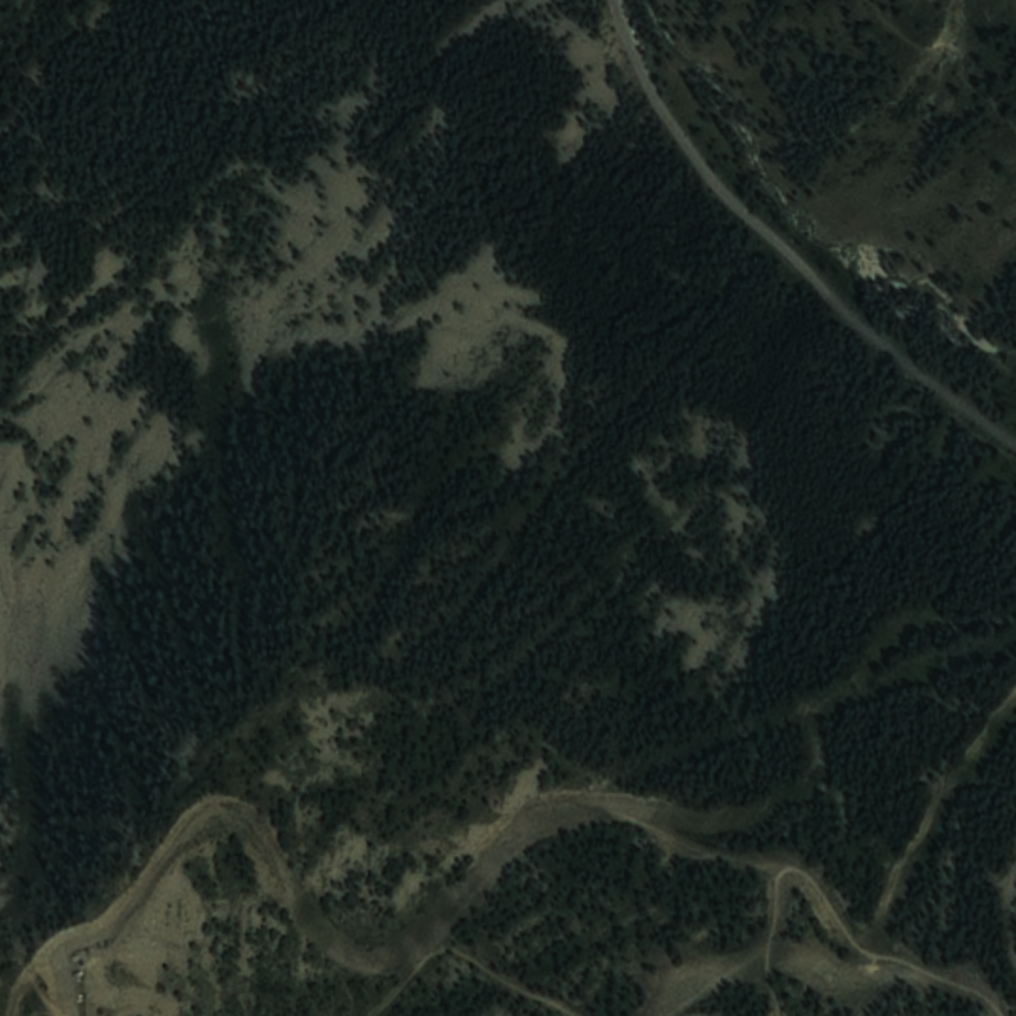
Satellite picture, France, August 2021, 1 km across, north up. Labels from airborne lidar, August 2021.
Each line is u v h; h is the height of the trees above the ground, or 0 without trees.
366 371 21
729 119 20
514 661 12
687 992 0
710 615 7
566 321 10
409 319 0
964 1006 12
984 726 7
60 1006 0
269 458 15
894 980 0
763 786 11
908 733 24
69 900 11
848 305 0
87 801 13
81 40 23
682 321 12
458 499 22
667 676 22
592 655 13
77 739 17
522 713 18
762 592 0
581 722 16
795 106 23
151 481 0
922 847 0
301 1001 7
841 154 24
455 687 14
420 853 0
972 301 0
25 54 19
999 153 0
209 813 0
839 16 0
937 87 0
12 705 0
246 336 0
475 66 24
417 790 16
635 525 14
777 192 0
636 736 16
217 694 15
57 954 0
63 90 23
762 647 16
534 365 8
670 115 0
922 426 26
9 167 17
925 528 26
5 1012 0
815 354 19
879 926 0
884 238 0
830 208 0
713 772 19
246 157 13
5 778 13
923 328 26
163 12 17
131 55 27
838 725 7
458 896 0
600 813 0
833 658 10
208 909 0
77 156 23
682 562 18
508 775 13
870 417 24
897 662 27
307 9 21
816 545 21
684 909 8
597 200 8
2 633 0
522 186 22
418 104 22
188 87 25
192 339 0
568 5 15
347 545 22
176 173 20
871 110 23
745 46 21
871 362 26
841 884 21
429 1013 11
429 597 15
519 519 0
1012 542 27
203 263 8
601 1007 13
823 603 25
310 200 0
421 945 0
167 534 19
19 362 23
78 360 13
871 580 21
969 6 0
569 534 19
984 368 25
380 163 19
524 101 28
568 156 0
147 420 10
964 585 25
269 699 9
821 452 25
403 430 22
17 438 11
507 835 0
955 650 28
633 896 14
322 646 17
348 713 0
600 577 6
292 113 10
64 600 0
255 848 0
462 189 18
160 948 0
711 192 7
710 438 7
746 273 26
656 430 15
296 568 6
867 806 19
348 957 0
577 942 19
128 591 11
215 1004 0
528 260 15
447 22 24
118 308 15
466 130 20
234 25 19
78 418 0
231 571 22
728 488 17
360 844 0
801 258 0
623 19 0
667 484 16
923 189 18
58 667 0
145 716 14
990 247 0
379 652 17
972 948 12
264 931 12
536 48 15
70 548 0
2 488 0
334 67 17
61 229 18
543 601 15
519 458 0
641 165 12
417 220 19
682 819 0
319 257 0
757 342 21
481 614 15
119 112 23
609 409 25
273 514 8
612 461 18
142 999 0
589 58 0
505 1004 16
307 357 15
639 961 0
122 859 9
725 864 14
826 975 0
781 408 21
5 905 0
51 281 6
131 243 23
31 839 0
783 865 0
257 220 13
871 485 27
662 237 15
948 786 0
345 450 18
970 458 28
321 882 0
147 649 12
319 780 0
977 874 15
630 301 9
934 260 0
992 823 12
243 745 12
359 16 17
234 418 14
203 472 12
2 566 0
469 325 0
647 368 24
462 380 0
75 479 0
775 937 0
